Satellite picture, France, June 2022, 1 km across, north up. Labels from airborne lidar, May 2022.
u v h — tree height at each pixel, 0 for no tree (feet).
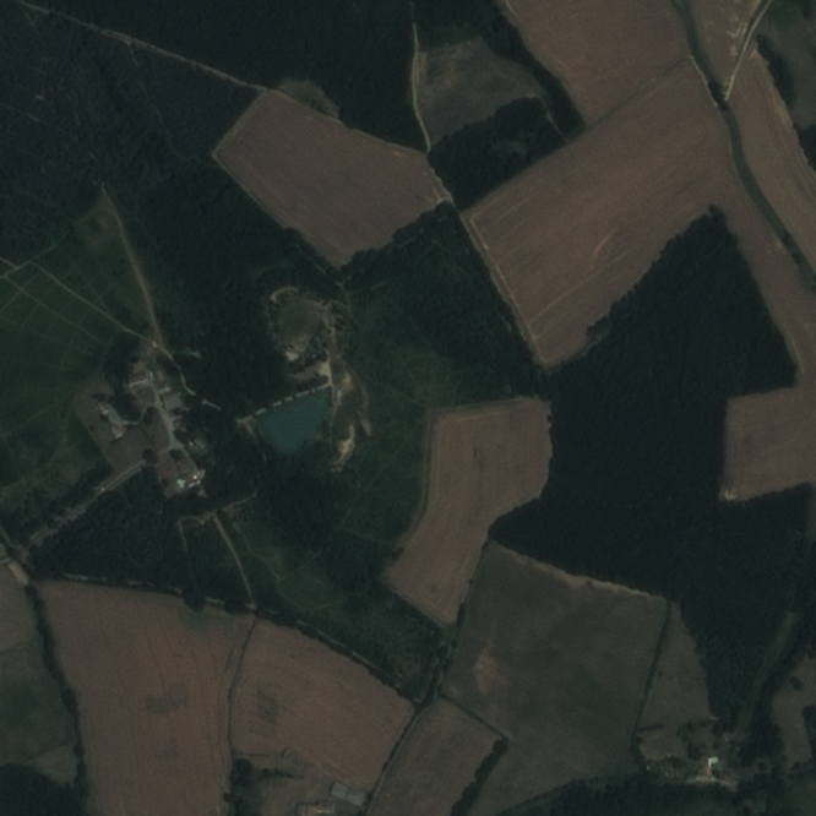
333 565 22
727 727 50
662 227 0
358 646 23
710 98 0
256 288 40
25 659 0
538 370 41
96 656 0
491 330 38
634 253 0
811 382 0
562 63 0
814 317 0
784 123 0
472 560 0
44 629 40
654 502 52
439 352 30
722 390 47
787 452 0
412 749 0
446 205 35
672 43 0
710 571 55
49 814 77
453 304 18
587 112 0
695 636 38
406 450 0
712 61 0
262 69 46
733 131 0
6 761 0
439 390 0
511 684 0
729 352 49
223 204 72
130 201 51
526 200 0
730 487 0
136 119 47
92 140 33
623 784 25
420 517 0
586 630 0
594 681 0
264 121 0
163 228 50
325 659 0
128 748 0
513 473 0
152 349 0
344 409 0
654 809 46
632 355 54
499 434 0
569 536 35
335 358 0
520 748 0
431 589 0
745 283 50
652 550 42
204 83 48
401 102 40
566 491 49
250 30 40
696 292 48
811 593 37
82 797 25
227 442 22
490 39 47
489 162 41
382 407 0
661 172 0
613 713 0
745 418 0
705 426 35
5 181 31
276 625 32
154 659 0
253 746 0
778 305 0
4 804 50
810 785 0
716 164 0
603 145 0
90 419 0
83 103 61
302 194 0
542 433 0
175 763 0
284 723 0
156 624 0
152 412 53
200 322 24
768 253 0
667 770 0
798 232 0
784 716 0
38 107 35
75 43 80
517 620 0
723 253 61
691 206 0
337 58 49
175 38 49
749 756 48
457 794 0
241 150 0
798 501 40
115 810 0
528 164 48
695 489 43
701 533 41
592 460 42
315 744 0
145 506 19
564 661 0
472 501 0
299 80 38
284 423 0
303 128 0
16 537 32
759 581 51
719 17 0
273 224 27
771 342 31
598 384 53
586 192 0
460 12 43
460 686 0
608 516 35
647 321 44
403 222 0
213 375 24
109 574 58
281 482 53
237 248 73
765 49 42
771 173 0
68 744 0
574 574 44
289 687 0
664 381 36
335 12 35
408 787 0
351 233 0
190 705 0
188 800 0
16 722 0
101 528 34
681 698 0
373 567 32
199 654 0
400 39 33
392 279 24
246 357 70
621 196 0
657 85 0
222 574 27
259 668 0
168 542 52
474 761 0
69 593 0
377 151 0
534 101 36
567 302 0
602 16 0
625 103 0
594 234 0
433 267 24
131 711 0
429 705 34
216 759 0
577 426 46
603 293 0
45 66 36
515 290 0
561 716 0
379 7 23
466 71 0
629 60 0
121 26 44
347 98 53
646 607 0
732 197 0
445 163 49
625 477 36
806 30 0
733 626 67
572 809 50
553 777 0
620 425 44
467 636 0
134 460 0
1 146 43
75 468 0
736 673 50
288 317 0
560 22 0
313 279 31
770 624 67
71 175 35
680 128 0
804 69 0
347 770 0
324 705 0
